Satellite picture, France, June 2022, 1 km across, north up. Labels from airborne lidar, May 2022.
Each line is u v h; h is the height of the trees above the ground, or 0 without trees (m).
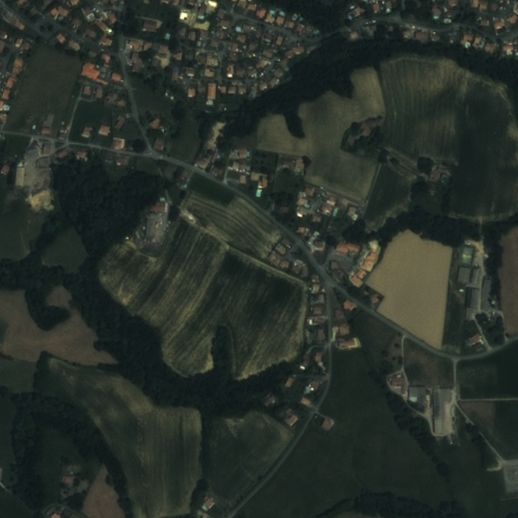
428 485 0
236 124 26
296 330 0
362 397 0
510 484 0
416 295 0
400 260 0
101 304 28
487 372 0
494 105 0
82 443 23
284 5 11
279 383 13
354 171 0
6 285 21
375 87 0
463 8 14
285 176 0
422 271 0
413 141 0
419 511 22
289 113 23
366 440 0
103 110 0
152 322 0
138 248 0
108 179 8
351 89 9
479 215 0
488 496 0
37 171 0
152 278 0
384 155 12
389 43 14
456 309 0
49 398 16
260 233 0
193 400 22
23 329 0
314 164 0
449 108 0
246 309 0
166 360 0
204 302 0
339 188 0
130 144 6
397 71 0
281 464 0
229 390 19
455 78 0
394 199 0
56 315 24
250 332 0
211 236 0
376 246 0
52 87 0
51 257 0
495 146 0
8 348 0
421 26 0
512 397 0
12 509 0
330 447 0
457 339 0
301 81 19
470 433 12
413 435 12
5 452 0
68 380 0
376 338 0
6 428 0
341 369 0
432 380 0
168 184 19
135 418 0
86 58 21
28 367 0
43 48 0
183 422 0
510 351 0
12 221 0
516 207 0
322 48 13
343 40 18
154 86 8
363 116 0
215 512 0
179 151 0
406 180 0
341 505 15
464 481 0
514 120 0
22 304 0
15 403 16
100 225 27
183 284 0
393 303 0
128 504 19
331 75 26
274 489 0
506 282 0
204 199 0
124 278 0
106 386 0
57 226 25
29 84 0
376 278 0
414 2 19
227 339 22
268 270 0
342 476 0
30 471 18
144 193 28
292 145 0
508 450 0
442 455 0
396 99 0
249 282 0
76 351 0
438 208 0
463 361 0
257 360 0
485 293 0
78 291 29
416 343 0
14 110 0
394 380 0
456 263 0
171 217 12
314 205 0
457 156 0
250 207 0
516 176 0
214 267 0
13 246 0
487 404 0
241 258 0
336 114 0
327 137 0
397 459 0
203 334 0
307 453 0
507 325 0
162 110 0
